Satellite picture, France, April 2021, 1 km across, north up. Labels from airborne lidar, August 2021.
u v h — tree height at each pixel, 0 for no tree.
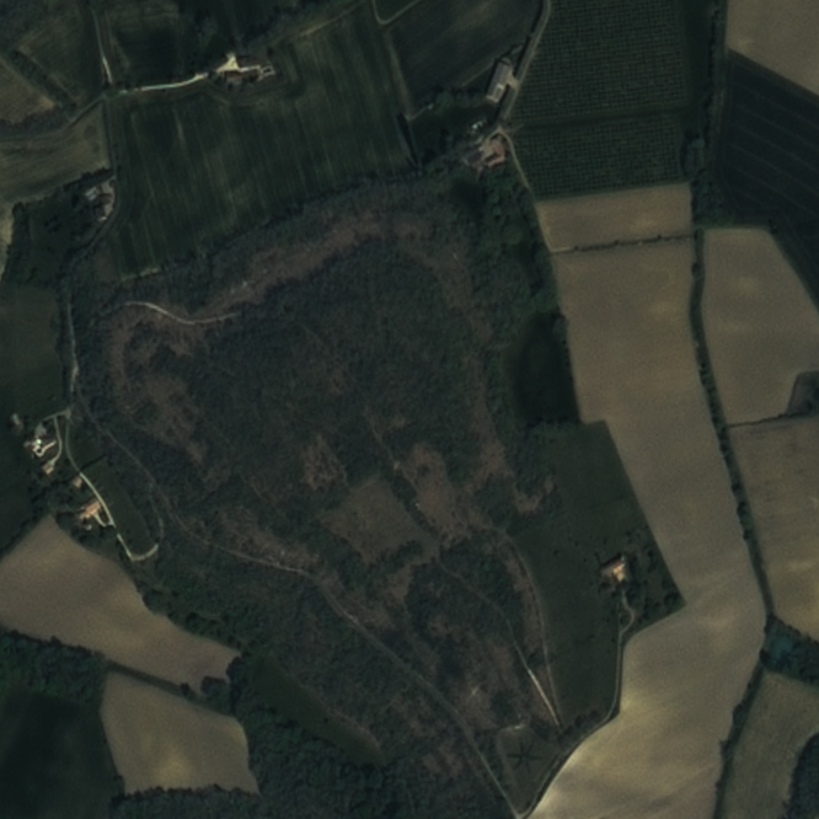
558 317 9
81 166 0
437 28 0
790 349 0
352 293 8
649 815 0
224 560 17
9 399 0
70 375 8
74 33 0
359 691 15
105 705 0
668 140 6
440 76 0
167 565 7
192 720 0
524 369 0
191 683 0
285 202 0
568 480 0
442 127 0
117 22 0
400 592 0
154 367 6
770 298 0
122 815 20
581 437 0
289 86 0
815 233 0
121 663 0
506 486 11
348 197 13
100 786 0
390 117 0
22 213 10
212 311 0
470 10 0
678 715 0
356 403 10
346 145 0
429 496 0
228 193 0
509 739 0
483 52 0
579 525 0
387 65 0
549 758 0
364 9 0
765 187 0
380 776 22
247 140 0
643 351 0
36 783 0
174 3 0
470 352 9
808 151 0
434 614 7
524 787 0
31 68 14
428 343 14
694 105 0
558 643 0
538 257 16
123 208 0
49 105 0
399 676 13
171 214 0
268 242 6
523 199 16
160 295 8
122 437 14
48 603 0
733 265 0
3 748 0
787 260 0
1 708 0
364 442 6
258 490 7
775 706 0
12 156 0
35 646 21
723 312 0
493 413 12
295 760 10
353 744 0
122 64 0
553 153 6
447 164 8
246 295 0
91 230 12
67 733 0
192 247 0
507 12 0
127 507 0
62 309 6
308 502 12
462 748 6
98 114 0
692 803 0
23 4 15
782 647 0
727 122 0
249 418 12
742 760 0
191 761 0
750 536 14
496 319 11
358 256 8
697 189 14
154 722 0
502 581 6
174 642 0
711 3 0
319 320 10
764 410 0
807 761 12
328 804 16
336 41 0
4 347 0
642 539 10
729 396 0
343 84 0
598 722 17
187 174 0
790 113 0
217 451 7
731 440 9
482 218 10
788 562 0
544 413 0
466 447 12
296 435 13
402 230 0
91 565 0
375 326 13
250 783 0
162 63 0
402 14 0
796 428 0
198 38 19
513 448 10
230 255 16
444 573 10
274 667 0
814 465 0
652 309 0
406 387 11
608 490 0
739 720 13
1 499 0
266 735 18
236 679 18
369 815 22
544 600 0
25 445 0
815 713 0
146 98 0
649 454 0
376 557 0
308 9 17
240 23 0
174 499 7
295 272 0
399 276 13
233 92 6
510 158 13
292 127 0
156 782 0
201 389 9
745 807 0
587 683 0
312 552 6
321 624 15
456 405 12
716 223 16
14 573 0
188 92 0
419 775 8
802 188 0
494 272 16
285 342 12
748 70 0
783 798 0
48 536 0
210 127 0
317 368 10
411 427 7
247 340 11
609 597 9
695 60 0
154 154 0
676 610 7
